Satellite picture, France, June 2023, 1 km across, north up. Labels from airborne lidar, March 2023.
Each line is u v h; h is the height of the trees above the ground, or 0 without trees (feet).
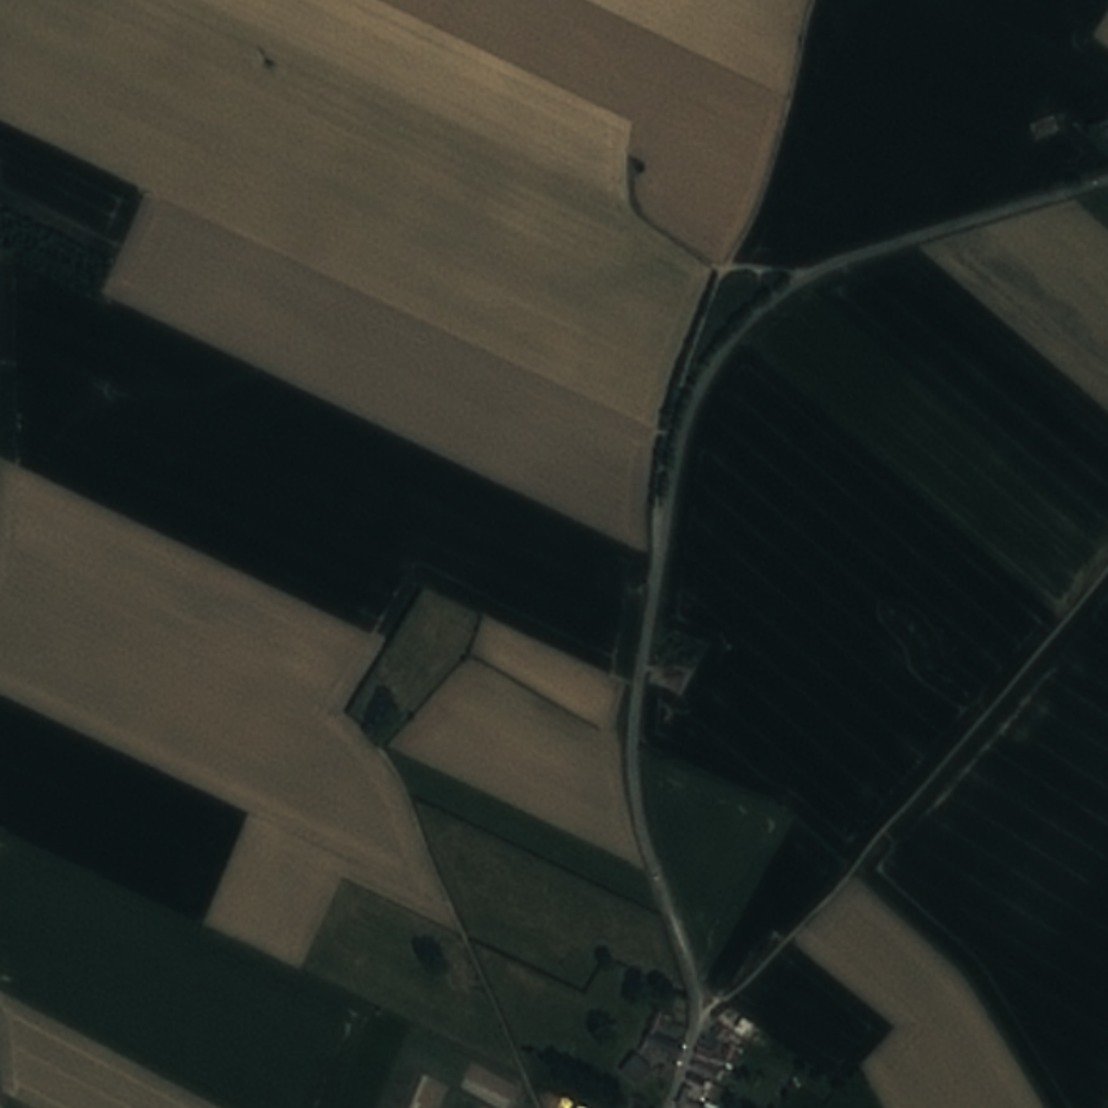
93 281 34
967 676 0
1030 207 0
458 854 0
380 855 0
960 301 0
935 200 0
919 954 0
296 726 0
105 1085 0
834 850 0
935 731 0
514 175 0
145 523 0
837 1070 0
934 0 0
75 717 0
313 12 0
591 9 0
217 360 0
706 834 0
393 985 0
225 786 0
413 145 0
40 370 0
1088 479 0
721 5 0
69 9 0
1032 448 0
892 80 0
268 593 0
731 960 0
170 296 0
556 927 0
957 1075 0
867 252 0
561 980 0
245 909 0
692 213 0
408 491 0
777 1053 0
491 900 0
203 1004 0
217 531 0
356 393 0
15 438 0
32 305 0
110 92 0
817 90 0
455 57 0
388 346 0
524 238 0
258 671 0
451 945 0
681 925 0
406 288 0
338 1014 0
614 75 0
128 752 0
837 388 0
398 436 0
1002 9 0
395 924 0
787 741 0
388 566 0
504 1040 0
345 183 0
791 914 0
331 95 0
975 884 0
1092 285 0
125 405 0
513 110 0
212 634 0
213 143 0
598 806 0
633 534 0
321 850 0
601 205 0
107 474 0
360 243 0
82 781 0
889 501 0
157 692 0
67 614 0
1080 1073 0
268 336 0
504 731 0
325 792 0
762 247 0
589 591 0
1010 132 0
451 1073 0
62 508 0
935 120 0
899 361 0
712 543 0
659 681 0
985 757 0
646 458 0
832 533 0
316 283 0
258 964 0
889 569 0
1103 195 0
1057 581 0
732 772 0
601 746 0
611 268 0
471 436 0
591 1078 90
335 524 0
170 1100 0
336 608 0
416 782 0
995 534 0
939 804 0
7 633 0
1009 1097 0
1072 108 0
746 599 0
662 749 0
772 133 0
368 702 0
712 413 0
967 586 0
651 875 0
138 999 0
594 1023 63
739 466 0
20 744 0
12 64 0
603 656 0
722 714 0
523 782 0
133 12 0
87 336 0
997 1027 0
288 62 0
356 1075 0
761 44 0
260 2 0
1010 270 0
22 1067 0
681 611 0
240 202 0
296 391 0
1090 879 0
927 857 0
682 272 0
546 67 0
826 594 0
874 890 0
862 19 0
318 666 0
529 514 0
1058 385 0
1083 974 0
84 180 0
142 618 0
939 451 0
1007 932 0
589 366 0
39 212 0
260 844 0
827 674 0
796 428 0
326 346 0
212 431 0
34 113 0
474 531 0
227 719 0
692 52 0
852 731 0
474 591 0
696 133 0
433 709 0
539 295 0
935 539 0
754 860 0
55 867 0
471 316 0
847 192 0
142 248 0
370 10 0
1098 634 0
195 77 0
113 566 0
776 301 0
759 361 0
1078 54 0
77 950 0
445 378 0
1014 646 0
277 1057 0
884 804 0
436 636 0
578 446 0
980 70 0
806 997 0
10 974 0
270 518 0
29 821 0
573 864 0
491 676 0
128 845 0
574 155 0
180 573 0
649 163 0
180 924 0
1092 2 0
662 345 0
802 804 0
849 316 0
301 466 0
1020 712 0
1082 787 0
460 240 0
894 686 0
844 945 0
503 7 0
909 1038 0
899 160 0
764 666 0
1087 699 0
